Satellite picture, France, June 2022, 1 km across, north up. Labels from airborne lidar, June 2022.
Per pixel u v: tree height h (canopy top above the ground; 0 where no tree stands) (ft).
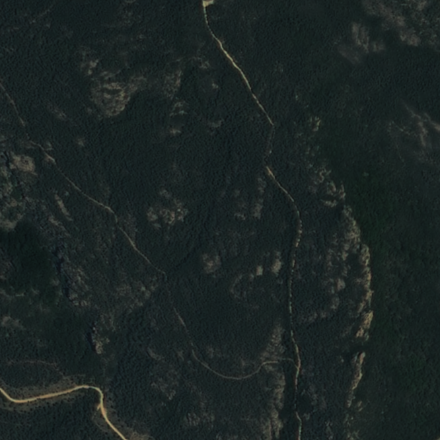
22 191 49
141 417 36
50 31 32
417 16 29
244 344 27
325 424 26
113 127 51
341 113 37
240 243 30
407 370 36
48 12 31
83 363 37
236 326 34
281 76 33
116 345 51
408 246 39
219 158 54
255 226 34
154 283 27
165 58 29
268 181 43
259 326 36
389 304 40
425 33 26
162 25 32
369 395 28
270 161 46
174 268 42
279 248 44
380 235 25
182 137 37
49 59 44
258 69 35
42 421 58
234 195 19
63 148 40
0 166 23
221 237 31
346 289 30
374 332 30
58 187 43
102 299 26
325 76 33
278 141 42
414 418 30
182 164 40
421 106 38
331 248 21
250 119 46
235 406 26
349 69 20
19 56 34
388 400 34
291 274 24
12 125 38
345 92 31
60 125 41
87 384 24
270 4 42
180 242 33
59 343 35
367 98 24
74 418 35
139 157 41
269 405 29
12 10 34
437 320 22
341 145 29
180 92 18
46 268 52
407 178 20
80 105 35
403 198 38
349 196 47
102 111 32
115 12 32
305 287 38
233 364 24
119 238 31
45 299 50
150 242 42
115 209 43
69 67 36
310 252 30
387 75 38
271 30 50
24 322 23
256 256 44
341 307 31
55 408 54
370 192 55
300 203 39
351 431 22
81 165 42
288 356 27
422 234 31
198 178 40
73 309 31
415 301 35
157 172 44
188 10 35
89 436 43
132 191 44
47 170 40
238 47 31
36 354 23
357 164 38
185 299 35
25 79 40
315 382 31
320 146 31
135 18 26
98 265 45
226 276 31
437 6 37
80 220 42
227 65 31
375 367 24
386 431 37
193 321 41
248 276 31
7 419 38
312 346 42
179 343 35
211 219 47
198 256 48
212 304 43
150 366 41
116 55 17
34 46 41
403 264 28
